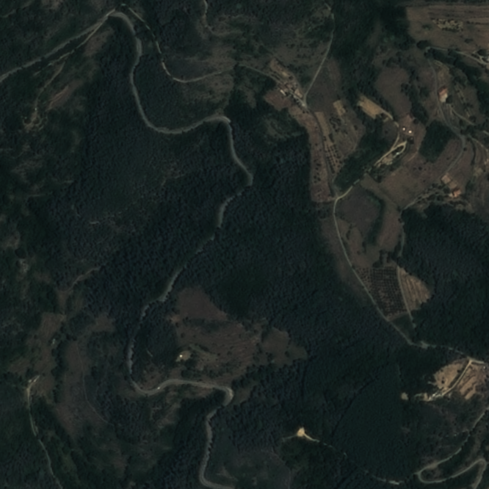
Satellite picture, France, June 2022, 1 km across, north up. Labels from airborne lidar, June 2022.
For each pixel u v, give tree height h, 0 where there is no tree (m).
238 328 0
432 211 16
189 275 15
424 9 0
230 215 11
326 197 0
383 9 8
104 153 17
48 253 8
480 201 0
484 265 15
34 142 7
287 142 8
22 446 13
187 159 17
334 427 9
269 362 7
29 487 12
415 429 9
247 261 17
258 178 11
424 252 16
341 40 9
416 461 19
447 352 12
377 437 19
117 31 9
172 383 0
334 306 18
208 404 16
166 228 13
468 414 7
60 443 9
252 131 8
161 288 13
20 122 17
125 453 6
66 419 0
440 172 0
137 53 0
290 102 0
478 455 7
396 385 20
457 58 9
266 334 6
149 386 0
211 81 0
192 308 0
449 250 19
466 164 0
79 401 0
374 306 7
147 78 10
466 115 0
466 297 11
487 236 13
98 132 13
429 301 14
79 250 12
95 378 10
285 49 0
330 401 9
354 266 5
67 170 10
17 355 7
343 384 10
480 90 14
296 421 9
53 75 6
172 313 12
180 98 10
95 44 0
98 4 0
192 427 7
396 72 0
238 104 10
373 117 0
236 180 21
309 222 7
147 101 12
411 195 0
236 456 0
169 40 14
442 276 15
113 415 12
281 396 23
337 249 0
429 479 12
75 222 16
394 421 22
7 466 12
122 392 0
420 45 18
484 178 0
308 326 18
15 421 6
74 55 11
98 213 9
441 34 0
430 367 12
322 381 25
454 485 10
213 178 26
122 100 9
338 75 0
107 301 15
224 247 20
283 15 12
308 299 22
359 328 17
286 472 0
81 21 7
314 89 0
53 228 10
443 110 0
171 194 20
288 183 11
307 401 20
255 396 12
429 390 7
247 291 11
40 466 10
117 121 13
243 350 0
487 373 0
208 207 19
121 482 12
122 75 11
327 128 0
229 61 0
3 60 19
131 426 12
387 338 7
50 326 0
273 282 11
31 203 19
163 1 18
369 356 14
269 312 19
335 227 0
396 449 26
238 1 11
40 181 7
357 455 23
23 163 7
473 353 13
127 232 8
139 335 13
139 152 14
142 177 14
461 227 16
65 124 8
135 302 9
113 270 14
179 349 10
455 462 11
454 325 17
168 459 12
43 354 0
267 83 9
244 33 7
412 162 0
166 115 13
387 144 9
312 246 11
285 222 9
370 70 6
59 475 12
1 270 13
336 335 18
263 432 14
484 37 0
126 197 10
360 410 19
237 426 9
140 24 8
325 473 14
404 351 11
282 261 15
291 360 0
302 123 0
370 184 0
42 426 15
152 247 12
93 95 20
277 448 10
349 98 10
